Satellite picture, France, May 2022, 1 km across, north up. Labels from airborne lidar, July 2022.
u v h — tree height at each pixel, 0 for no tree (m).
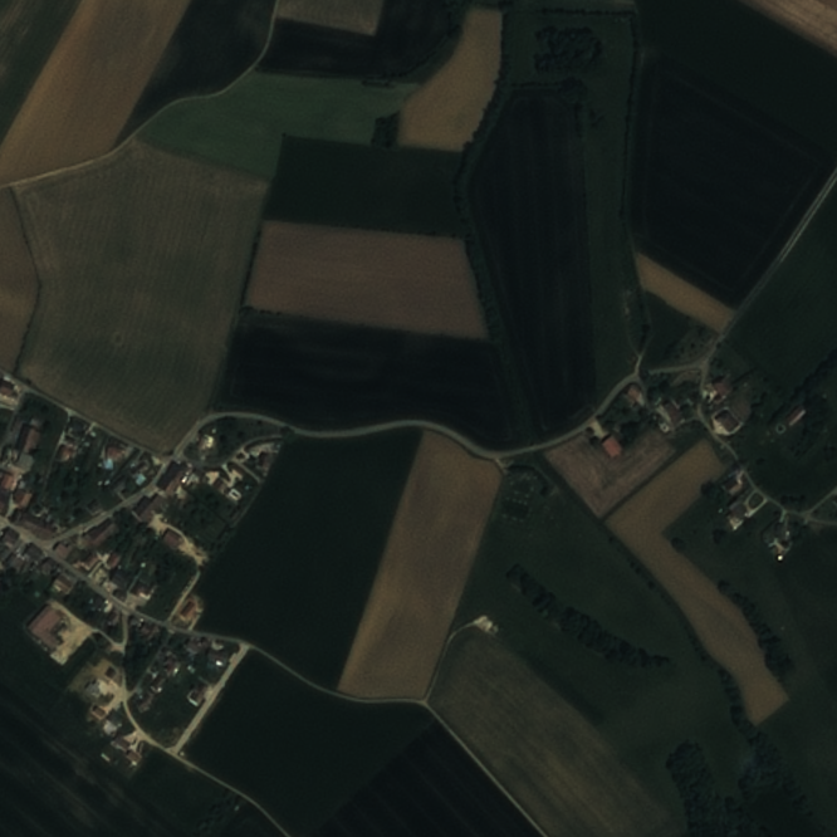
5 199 0
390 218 0
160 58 0
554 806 0
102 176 0
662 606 0
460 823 0
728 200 0
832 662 0
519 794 0
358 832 0
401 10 0
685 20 0
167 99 0
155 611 0
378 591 0
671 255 0
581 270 0
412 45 0
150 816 0
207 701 0
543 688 0
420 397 0
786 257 0
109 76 0
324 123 0
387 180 0
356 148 0
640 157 0
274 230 0
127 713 0
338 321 0
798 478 0
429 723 0
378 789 0
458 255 0
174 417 0
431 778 0
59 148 0
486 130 15
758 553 0
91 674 0
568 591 0
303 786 0
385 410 0
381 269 0
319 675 0
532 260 0
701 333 10
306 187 0
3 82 0
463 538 0
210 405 0
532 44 0
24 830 0
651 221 0
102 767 0
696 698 0
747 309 0
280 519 0
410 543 0
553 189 0
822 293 0
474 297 0
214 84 0
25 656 0
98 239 0
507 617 0
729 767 0
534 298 0
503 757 0
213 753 0
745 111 0
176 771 0
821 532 0
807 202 0
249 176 0
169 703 0
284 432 12
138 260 0
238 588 0
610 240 0
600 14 8
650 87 0
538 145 0
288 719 0
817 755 0
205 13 0
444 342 0
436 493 0
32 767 0
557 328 0
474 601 0
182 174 0
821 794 0
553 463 0
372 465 0
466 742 0
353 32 0
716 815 24
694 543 0
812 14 0
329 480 0
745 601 11
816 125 0
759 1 0
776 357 0
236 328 0
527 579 15
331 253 0
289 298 0
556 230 0
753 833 23
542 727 0
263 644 0
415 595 0
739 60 0
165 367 0
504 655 0
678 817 0
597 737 0
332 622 0
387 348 0
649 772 0
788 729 0
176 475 0
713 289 0
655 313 0
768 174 0
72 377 0
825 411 16
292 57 0
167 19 0
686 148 0
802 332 0
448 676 0
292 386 0
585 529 0
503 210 0
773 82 0
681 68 0
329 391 0
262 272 0
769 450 0
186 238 0
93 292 0
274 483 0
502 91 17
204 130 0
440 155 0
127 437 0
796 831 0
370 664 0
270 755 0
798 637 0
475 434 0
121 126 0
